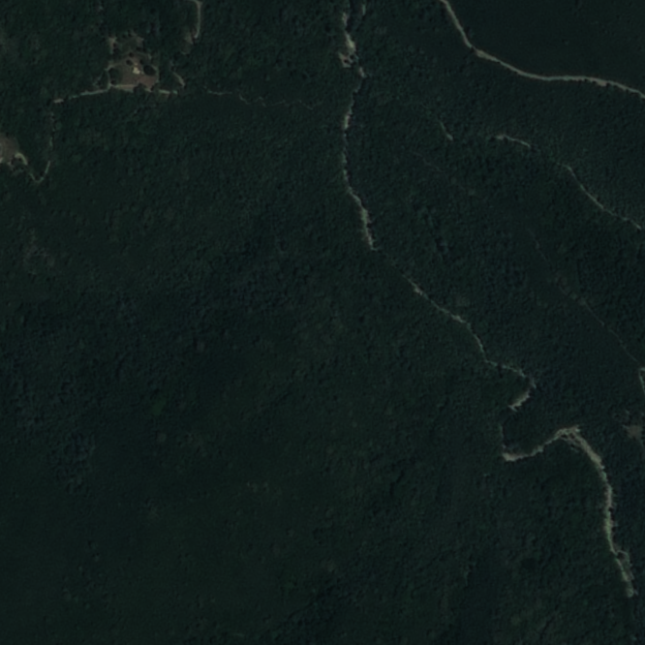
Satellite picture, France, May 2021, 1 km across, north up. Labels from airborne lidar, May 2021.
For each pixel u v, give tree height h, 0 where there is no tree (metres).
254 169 10
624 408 18
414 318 16
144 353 16
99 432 6
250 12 11
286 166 15
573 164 14
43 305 14
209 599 9
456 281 13
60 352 10
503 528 7
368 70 10
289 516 5
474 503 9
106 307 21
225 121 10
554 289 6
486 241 13
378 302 13
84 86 10
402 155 8
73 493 6
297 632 13
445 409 19
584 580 13
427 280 8
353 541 7
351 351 8
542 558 10
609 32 11
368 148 11
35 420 10
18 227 9
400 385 8
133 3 19
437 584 13
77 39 11
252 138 14
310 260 7
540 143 15
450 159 12
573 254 13
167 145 16
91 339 16
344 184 17
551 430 13
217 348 6
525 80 7
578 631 7
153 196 6
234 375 7
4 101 14
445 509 7
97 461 6
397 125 18
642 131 7
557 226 7
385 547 21
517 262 10
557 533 15
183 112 9
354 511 15
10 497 6
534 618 15
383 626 8
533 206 7
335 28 14
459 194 14
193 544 6
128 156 12
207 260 13
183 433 6
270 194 17
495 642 10
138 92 14
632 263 20
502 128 14
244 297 15
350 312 8
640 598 21
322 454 8
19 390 19
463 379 11
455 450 6
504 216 8
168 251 10
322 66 14
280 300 15
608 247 12
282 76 7
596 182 8
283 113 7
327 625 16
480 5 6
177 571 6
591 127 10
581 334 8
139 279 6
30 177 14
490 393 20
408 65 10
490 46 5
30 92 15
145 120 12
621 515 17
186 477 6
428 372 13
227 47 14
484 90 10
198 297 15
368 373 13
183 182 7
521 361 9
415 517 17
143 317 19
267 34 16
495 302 14
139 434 7
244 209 24
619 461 11
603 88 9
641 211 11
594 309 13
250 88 10
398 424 11
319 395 7
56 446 11
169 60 11
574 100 7
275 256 10
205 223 6
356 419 7
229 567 7
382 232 16
